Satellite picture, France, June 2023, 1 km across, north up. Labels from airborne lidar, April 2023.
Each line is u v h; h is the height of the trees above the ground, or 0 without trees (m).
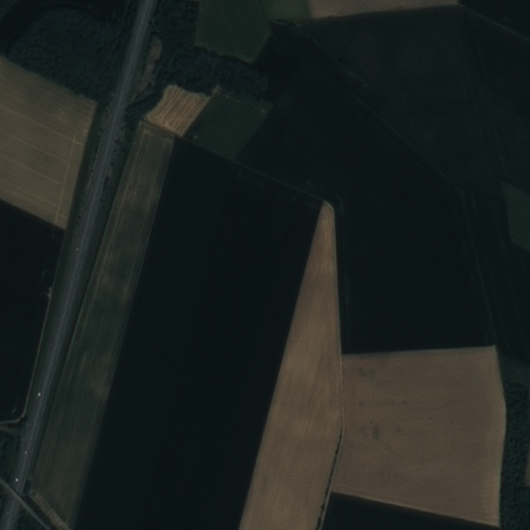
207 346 0
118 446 0
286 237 0
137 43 0
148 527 0
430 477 0
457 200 0
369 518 0
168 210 0
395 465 0
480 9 0
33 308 0
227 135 0
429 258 0
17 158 0
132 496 0
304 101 0
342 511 0
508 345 0
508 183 0
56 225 0
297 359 0
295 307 0
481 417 0
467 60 0
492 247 0
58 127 0
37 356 0
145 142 0
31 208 0
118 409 0
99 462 0
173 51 17
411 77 0
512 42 0
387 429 0
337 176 0
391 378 0
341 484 0
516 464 8
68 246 0
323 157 0
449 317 0
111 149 0
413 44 0
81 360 0
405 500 0
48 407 0
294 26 6
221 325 0
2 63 0
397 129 0
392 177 0
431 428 0
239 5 0
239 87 20
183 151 0
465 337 0
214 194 0
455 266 0
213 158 0
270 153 0
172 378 0
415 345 0
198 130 0
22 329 0
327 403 0
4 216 0
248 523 0
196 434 0
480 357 0
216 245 0
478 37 0
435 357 0
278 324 0
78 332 0
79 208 0
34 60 19
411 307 0
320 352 0
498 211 0
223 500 0
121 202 0
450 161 0
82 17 27
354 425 0
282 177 0
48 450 0
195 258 0
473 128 0
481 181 0
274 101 0
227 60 17
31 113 0
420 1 0
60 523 0
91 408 0
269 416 0
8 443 8
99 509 0
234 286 0
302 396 0
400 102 0
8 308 0
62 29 26
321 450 0
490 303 0
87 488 0
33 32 21
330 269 0
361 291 0
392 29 0
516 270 0
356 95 0
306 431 0
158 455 0
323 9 0
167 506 0
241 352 0
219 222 0
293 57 0
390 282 0
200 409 0
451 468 0
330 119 0
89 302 0
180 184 0
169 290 0
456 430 0
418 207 0
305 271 0
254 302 0
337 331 0
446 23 0
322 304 0
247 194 0
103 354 0
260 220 0
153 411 0
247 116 0
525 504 9
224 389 0
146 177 0
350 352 0
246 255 0
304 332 0
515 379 0
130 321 0
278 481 0
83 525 0
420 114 0
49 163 0
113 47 24
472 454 0
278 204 0
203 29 0
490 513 0
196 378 0
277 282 0
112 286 0
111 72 11
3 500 7
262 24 0
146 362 0
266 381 0
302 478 0
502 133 0
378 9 0
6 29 0
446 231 0
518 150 0
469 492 0
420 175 0
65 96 0
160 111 0
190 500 0
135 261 0
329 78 0
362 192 0
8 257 0
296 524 0
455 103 0
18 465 0
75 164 0
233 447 0
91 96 14
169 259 0
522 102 0
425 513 0
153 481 0
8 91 0
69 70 24
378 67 0
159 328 0
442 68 0
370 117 0
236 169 0
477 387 0
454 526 0
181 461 0
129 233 0
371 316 0
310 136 0
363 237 0
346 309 0
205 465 0
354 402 0
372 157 0
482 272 0
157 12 14
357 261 0
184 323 0
